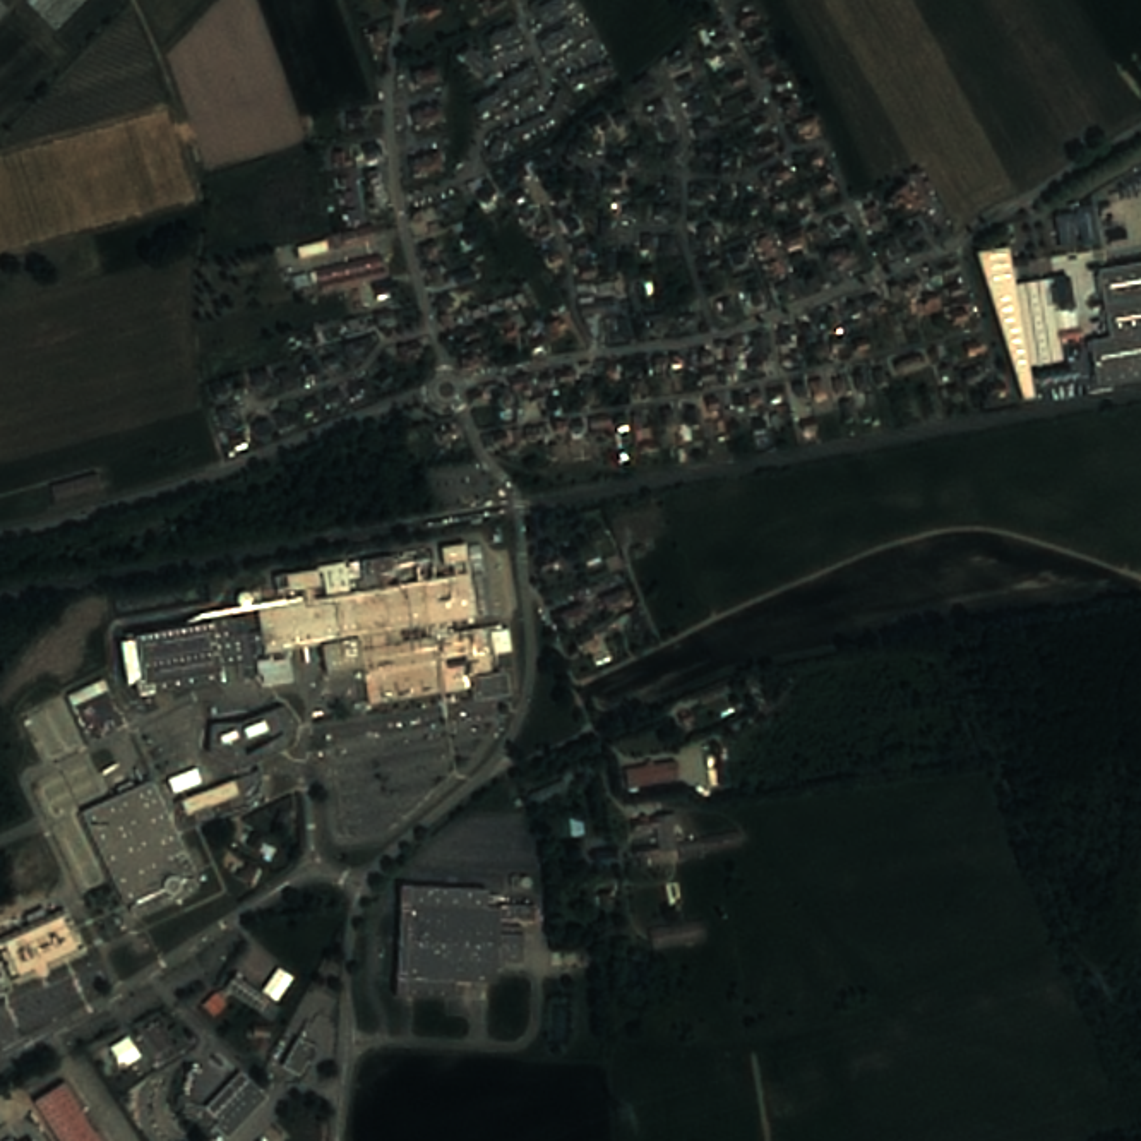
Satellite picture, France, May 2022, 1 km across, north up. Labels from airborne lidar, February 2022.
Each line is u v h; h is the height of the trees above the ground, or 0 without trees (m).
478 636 0
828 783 10
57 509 0
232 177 0
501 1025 0
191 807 0
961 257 0
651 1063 0
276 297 0
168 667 0
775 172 0
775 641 0
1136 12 0
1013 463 0
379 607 0
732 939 0
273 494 9
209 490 5
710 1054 0
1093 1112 0
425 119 0
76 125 0
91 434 0
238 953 10
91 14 0
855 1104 0
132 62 0
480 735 0
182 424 0
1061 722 0
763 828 0
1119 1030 8
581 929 9
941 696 11
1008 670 0
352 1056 0
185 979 0
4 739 0
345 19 0
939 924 0
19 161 0
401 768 0
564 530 9
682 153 0
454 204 0
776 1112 0
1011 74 0
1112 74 0
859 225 0
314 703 0
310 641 0
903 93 0
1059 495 0
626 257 15
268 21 0
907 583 0
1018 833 16
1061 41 0
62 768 0
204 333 0
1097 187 0
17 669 0
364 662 0
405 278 0
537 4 0
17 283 0
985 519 0
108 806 0
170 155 0
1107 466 0
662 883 0
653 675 0
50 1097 0
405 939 0
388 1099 0
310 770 0
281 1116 12
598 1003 18
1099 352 0
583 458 0
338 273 0
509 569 0
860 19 0
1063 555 0
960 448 0
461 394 0
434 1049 0
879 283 0
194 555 0
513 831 0
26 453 0
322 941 0
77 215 0
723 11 0
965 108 0
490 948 0
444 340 11
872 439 0
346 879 0
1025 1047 0
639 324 9
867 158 0
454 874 0
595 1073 0
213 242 0
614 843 6
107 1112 0
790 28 0
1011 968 0
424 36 0
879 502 0
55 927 0
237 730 0
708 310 0
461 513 0
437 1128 0
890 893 0
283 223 0
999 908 0
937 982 0
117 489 0
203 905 0
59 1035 0
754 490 0
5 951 0
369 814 0
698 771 0
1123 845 11
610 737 11
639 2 0
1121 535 0
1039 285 0
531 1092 0
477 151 0
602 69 0
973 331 0
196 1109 0
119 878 0
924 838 0
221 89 0
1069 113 0
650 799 15
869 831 0
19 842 0
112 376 0
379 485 17
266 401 0
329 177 0
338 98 0
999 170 0
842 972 0
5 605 14
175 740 0
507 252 0
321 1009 0
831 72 0
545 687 0
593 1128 0
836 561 0
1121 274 0
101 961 0
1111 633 0
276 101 0
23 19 0
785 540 0
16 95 0
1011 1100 0
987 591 0
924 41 0
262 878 0
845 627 0
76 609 0
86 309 0
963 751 15
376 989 0
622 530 0
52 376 0
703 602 0
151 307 0
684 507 0
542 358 0
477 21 0
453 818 7
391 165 0
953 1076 0
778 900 0
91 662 0
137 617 0
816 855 0
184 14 0
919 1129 0
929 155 0
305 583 0
